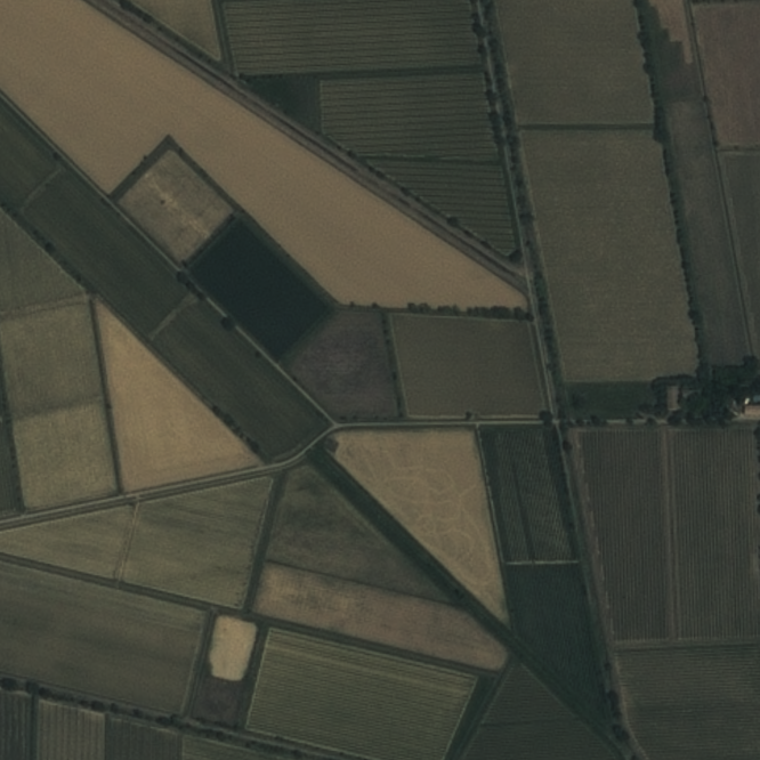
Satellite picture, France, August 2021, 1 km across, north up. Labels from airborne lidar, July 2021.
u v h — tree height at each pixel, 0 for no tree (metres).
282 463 0
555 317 0
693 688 0
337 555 0
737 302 0
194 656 0
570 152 0
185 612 0
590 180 0
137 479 0
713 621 0
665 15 0
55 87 0
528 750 0
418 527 0
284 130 0
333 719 0
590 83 0
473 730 0
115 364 0
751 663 0
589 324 0
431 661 0
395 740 0
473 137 0
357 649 0
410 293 0
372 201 0
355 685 0
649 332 0
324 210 0
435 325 0
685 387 12
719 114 0
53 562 0
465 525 0
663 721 0
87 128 0
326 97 0
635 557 0
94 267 0
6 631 0
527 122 0
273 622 0
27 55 0
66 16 0
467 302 0
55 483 0
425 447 0
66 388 0
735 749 0
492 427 0
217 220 0
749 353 0
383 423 0
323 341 0
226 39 0
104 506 0
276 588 0
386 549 0
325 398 0
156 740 0
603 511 0
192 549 0
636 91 0
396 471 0
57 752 0
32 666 0
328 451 0
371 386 0
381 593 0
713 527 0
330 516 0
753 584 0
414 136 0
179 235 0
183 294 0
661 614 0
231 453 0
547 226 0
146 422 0
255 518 0
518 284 0
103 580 0
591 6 0
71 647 0
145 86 0
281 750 7
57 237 0
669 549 0
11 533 0
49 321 0
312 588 0
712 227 0
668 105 0
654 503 0
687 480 0
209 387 0
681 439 0
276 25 0
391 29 0
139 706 0
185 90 0
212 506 0
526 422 0
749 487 0
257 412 0
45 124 0
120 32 0
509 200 0
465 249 0
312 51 0
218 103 0
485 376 0
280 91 0
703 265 0
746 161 0
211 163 0
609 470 0
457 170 0
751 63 0
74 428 0
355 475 0
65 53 0
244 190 0
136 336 0
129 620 0
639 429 0
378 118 0
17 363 0
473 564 0
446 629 0
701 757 0
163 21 0
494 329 0
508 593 0
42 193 0
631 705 0
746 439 0
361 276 0
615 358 0
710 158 0
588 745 0
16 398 0
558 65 0
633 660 0
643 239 0
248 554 0
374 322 0
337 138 0
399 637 0
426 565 0
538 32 0
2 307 0
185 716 0
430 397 0
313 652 0
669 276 0
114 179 0
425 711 0
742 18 0
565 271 0
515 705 0
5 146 0
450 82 0
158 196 0
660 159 0
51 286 0
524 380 0
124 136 0
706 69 0
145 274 0
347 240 0
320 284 0
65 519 0
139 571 0
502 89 6
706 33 0
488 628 0
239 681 0
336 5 0
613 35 0
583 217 0
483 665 0
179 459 0
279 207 0
